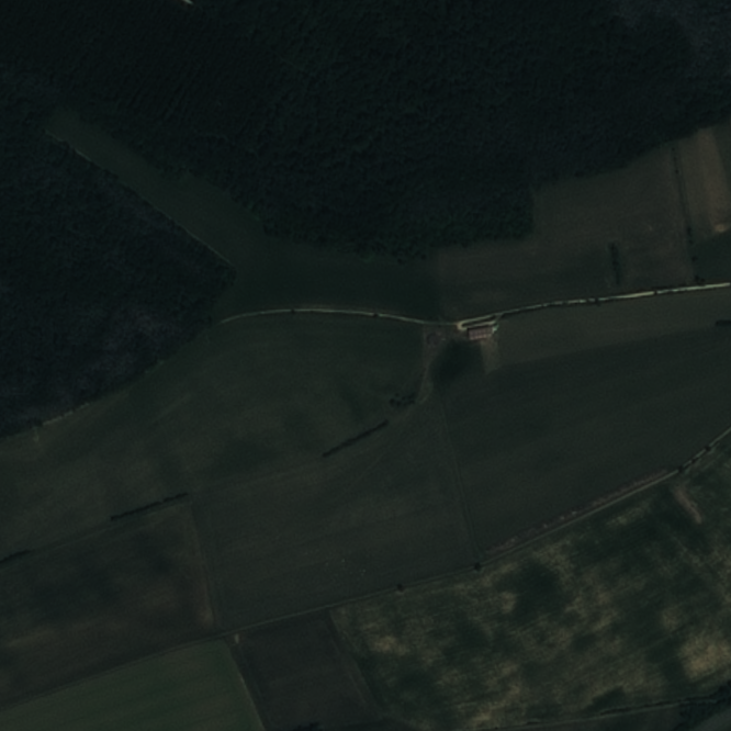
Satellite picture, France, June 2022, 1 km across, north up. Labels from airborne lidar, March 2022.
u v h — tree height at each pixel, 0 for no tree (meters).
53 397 15
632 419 0
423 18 9
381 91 14
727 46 18
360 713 0
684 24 19
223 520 0
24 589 0
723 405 0
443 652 0
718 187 0
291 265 0
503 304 0
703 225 0
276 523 0
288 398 0
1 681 0
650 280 0
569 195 0
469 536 0
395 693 0
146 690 0
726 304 0
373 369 0
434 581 0
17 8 0
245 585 0
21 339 22
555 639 0
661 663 0
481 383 0
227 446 0
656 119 17
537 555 0
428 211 16
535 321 0
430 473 0
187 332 20
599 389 0
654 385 0
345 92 13
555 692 0
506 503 0
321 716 0
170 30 0
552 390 0
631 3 19
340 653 0
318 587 0
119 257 23
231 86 0
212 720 0
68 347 20
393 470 0
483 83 15
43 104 18
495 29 20
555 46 17
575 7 18
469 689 0
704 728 0
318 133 15
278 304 0
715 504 0
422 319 0
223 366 0
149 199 0
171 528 0
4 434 14
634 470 0
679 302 0
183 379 0
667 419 0
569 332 0
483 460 0
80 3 0
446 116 15
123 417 0
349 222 19
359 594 0
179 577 0
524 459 0
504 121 15
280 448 0
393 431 0
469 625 0
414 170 15
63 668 0
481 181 14
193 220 0
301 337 0
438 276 0
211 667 0
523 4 17
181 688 0
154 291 19
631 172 0
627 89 17
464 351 0
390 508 0
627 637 0
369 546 0
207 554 0
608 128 16
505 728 0
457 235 10
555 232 0
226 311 0
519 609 0
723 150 0
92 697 0
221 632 0
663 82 16
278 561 0
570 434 0
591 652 0
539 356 0
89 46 0
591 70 16
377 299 0
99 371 20
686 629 0
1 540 0
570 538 0
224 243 0
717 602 0
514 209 7
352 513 0
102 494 0
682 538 0
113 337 22
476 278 0
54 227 20
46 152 19
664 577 0
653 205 0
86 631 0
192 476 0
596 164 14
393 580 0
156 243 17
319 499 0
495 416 0
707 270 0
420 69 15
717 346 0
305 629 0
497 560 0
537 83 15
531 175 17
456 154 14
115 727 0
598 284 0
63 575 0
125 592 0
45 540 0
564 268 0
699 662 0
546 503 0
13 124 21
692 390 0
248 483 0
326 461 0
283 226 12
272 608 0
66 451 0
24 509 0
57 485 0
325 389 0
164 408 0
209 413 0
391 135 16
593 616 0
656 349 0
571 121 15
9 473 0
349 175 18
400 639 0
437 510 0
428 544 0
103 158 0
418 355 0
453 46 13
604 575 0
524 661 0
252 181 18
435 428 0
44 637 0
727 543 0
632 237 0
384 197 21
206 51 0
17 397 21
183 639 0
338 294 0
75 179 21
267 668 0
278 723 0
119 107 13
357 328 0
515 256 0
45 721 0
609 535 0
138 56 0
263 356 0
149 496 0
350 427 0
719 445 0
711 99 15
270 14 18
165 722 0
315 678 0
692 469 0
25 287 19
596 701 0
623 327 0
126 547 0
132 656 0
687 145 0
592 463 0
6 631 0
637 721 0
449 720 0
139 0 0
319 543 0
